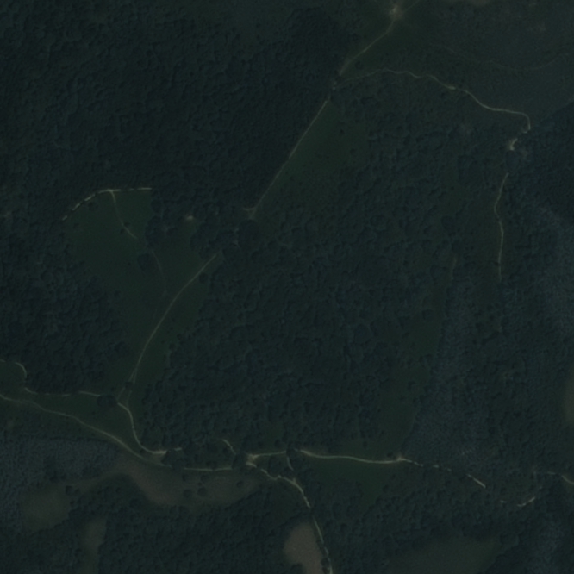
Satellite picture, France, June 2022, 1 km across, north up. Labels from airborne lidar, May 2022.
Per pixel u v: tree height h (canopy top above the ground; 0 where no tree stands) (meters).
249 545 18
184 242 0
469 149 10
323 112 0
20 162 20
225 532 17
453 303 20
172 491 0
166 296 0
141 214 0
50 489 0
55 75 19
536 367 26
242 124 17
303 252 25
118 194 0
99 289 18
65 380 14
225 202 18
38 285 27
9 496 10
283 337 26
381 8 0
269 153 17
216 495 0
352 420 26
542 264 14
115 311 9
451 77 7
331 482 0
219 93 19
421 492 15
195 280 0
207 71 23
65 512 0
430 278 22
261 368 25
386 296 21
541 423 7
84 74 26
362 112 20
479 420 31
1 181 14
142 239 0
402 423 0
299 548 0
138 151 18
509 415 22
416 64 0
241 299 26
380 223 27
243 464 12
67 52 20
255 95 26
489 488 12
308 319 27
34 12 17
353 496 6
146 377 0
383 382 17
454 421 25
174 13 7
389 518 24
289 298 22
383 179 24
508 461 23
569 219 26
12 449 10
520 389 26
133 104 19
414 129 20
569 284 20
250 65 24
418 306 23
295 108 14
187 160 23
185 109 34
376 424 17
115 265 0
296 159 0
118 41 19
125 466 0
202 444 13
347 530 19
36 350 17
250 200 14
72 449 12
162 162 19
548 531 20
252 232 22
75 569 23
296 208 16
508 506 18
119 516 19
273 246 19
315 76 17
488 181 11
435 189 16
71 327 27
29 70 16
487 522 20
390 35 0
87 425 0
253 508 23
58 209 18
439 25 0
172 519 8
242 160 16
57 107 17
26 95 12
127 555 20
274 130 15
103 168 14
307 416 13
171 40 19
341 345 32
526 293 28
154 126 23
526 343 28
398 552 22
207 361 25
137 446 0
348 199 9
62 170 20
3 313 7
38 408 0
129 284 0
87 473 22
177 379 20
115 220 0
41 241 22
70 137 27
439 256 17
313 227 26
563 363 7
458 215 8
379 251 23
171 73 16
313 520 7
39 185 22
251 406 18
